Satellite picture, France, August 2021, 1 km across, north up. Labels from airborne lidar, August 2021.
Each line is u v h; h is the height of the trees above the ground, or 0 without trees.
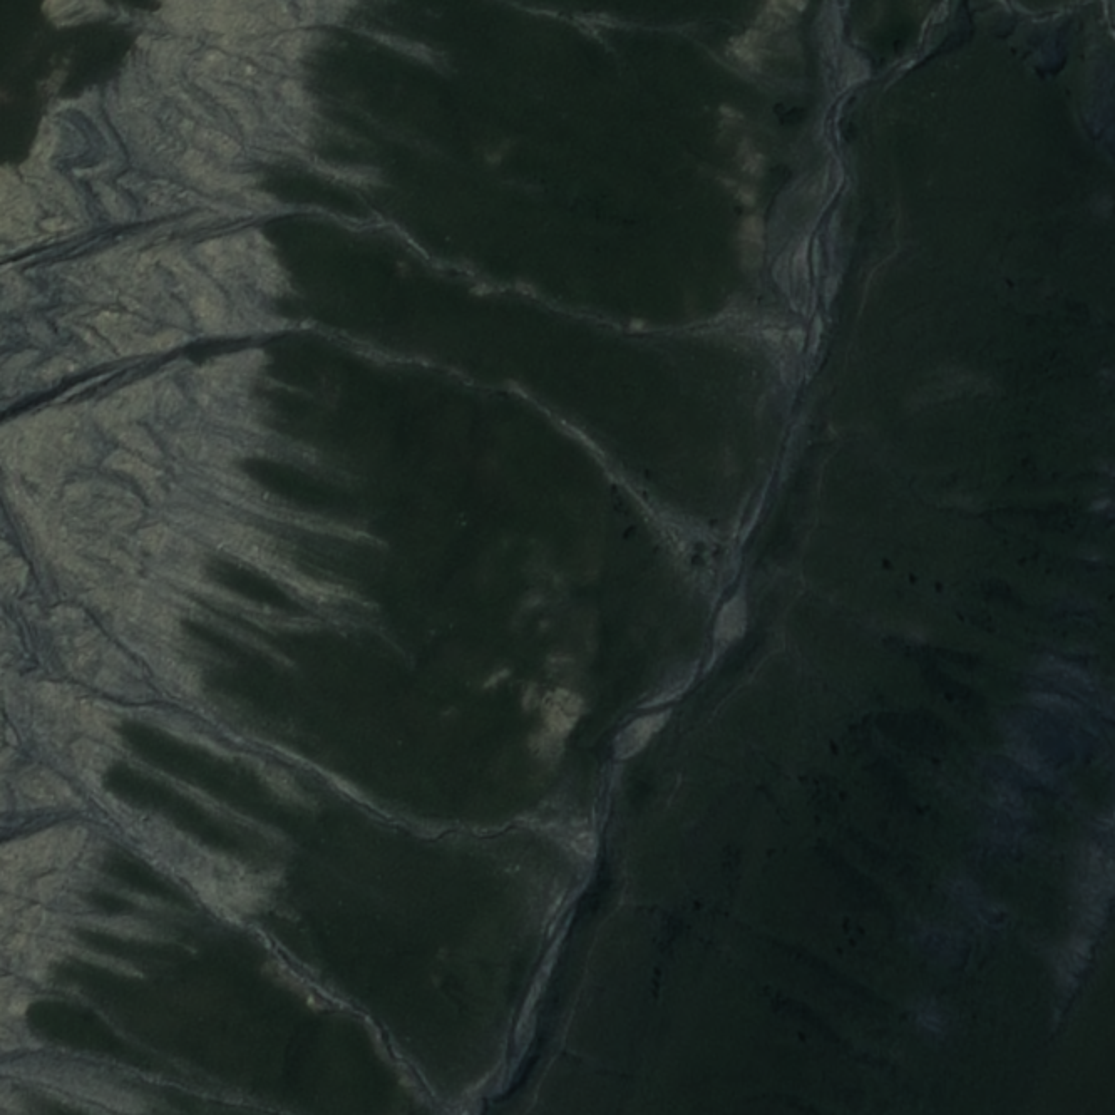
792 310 0
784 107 9
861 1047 0
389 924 0
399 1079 0
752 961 0
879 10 0
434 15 0
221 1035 0
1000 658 0
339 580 0
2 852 0
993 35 0
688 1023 0
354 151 0
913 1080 0
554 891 0
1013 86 0
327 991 0
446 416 0
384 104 0
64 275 0
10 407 0
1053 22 0
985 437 0
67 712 0
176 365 0
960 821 0
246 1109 0
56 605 0
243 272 0
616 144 0
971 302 0
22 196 0
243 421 0
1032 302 0
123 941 0
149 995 0
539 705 0
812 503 0
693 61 0
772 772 0
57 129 0
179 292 0
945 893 0
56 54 0
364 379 0
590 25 0
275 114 0
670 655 0
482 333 0
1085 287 0
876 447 0
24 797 0
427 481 0
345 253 0
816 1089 0
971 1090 0
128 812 0
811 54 0
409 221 0
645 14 0
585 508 0
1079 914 0
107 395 0
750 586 0
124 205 0
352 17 0
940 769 9
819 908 0
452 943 0
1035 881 0
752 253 0
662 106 0
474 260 0
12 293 0
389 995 0
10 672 0
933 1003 0
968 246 0
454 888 0
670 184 0
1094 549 0
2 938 0
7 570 0
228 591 0
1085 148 0
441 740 0
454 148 0
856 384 0
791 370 0
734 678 0
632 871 0
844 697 0
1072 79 0
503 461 0
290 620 0
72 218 0
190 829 0
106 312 0
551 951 0
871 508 0
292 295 0
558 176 0
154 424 0
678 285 0
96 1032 0
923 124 0
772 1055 0
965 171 0
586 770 0
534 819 0
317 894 0
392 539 0
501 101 0
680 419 0
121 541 0
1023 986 0
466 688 0
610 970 0
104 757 0
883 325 0
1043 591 0
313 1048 0
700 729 0
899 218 0
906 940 0
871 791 0
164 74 0
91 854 0
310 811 0
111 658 0
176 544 0
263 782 0
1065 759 0
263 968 0
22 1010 0
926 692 0
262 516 0
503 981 0
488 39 0
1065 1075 0
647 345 0
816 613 0
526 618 0
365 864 0
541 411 0
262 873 0
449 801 0
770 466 0
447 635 0
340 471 0
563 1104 0
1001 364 0
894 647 0
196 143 0
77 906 0
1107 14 0
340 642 0
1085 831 0
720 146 0
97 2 0
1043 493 0
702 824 0
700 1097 0
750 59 0
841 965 0
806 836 0
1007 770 0
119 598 0
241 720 0
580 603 0
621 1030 0
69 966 0
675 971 0
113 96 0
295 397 0
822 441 0
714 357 0
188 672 0
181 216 0
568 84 0
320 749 0
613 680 0
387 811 0
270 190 0
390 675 0
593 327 0
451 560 0
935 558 0
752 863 0
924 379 0
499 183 0
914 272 0
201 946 0
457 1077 0
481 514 0
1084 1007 0
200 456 0
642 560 0
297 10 0
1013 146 0
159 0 0
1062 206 0
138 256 0
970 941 0
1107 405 0
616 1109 0
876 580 0
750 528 0
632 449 0
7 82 0
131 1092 0
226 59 0
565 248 0
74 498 0
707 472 0
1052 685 0
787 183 0
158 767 0
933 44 0
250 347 0
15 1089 0
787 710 0
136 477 0
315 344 0
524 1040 0
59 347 0
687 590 0
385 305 0
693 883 0
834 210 0
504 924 0
